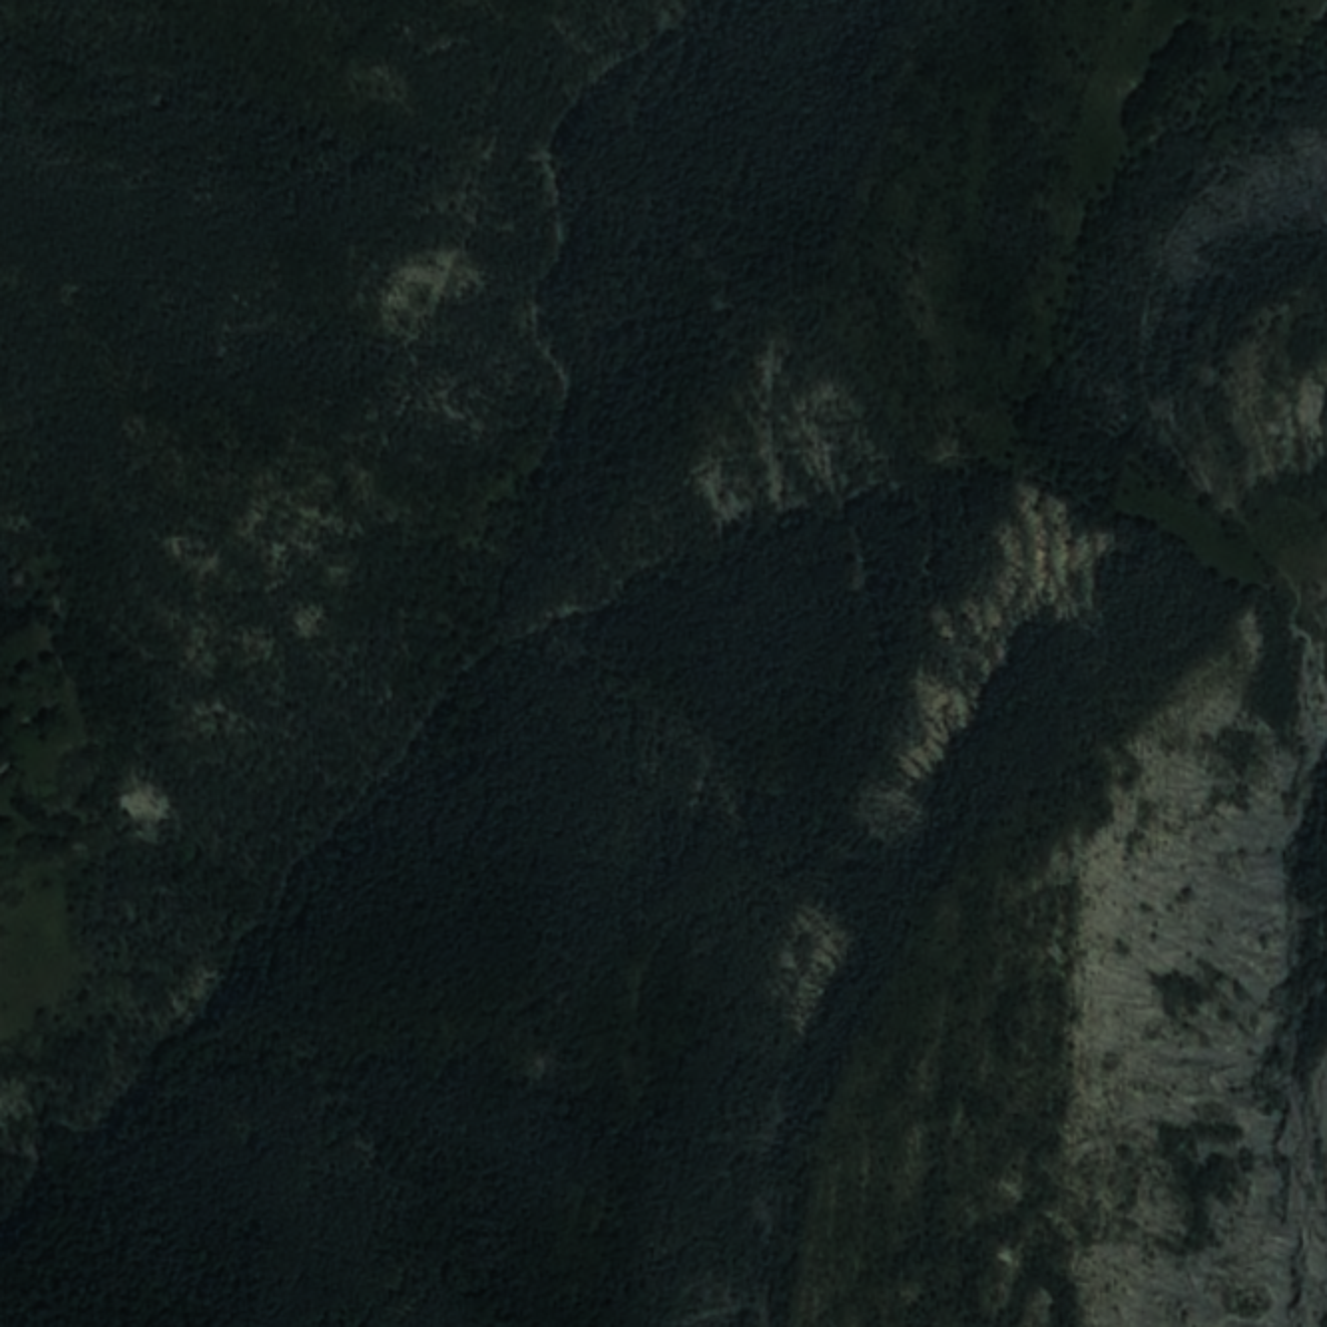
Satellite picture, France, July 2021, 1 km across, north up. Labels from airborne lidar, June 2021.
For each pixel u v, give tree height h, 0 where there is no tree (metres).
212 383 9
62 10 10
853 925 7
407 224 6
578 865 10
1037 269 11
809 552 14
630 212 11
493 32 10
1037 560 0
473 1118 11
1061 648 10
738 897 11
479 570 22
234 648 7
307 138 17
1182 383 6
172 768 10
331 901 16
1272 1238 0
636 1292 14
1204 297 6
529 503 13
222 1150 16
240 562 8
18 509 7
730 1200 7
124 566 6
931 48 9
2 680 8
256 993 15
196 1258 11
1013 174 9
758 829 13
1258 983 0
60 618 13
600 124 8
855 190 11
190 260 8
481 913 9
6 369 10
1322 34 8
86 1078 10
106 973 7
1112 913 0
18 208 8
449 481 8
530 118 13
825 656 16
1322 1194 0
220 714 10
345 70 8
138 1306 13
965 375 7
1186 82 7
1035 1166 7
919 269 8
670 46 13
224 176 9
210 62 11
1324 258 9
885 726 8
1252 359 0
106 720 15
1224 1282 0
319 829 11
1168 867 0
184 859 14
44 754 0
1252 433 0
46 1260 16
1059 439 13
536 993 10
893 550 12
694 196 13
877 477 7
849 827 7
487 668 14
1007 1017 7
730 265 8
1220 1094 0
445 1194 12
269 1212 12
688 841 12
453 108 10
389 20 10
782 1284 8
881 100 8
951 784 12
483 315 11
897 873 8
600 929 12
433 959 11
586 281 12
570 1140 14
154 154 12
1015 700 16
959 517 10
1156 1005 0
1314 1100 0
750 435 7
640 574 13
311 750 9
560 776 12
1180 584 9
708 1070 11
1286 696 7
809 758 10
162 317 8
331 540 7
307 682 9
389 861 19
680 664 11
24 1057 10
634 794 7
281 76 7
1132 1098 0
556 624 13
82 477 6
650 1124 18
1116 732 10
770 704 9
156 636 9
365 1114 11
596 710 13
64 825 13
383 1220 14
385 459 7
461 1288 14
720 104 11
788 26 11
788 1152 8
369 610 9
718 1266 7
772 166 8
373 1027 8
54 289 8
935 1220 7
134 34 11
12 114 14
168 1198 16
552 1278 7
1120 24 0
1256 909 0
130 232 7
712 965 13
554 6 7
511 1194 12
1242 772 5
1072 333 12
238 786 8
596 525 11
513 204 7
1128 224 8
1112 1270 0
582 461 16
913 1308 6
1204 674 0
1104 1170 0
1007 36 10
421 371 8
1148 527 16
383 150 15
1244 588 7
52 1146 15
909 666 9
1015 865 6
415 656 12
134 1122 14
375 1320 13
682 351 9
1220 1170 9
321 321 13
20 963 0
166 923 8
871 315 8
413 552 14
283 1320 15
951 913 0
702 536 10
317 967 12
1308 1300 0
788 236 9
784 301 8
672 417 9
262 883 9
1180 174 8
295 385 8
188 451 10
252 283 7
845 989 12
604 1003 7
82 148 7
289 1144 14
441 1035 9
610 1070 8
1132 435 13
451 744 14
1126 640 7
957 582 11
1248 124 8
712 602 11
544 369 14
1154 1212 0
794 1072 8
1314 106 8
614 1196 8
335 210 14
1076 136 8
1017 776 13
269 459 9
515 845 15
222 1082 16
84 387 7
